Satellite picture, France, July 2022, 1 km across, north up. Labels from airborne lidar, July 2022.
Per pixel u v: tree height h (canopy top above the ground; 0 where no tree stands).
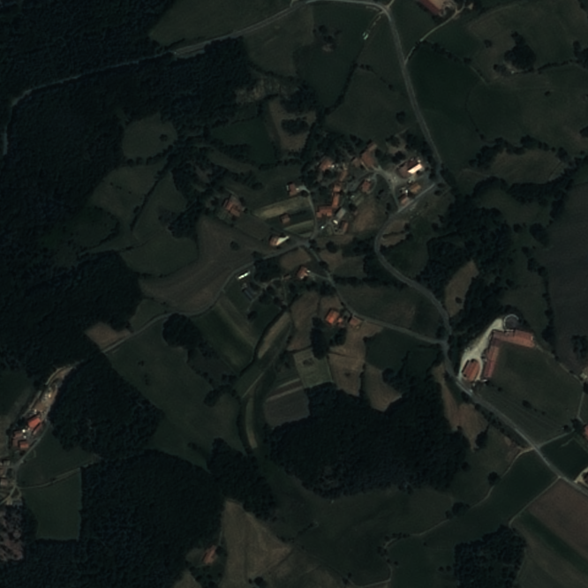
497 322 0
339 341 16
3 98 18
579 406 0
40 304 27
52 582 23
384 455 22
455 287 0
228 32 0
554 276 0
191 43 0
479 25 0
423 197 0
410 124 0
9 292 22
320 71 0
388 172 0
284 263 0
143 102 15
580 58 12
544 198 15
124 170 0
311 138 11
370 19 0
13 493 0
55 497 0
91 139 10
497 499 0
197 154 11
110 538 27
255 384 0
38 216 33
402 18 0
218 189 8
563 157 25
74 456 0
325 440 25
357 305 0
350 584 13
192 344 15
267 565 0
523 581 0
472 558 15
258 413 0
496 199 0
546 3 0
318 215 0
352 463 21
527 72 6
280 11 0
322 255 0
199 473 23
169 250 0
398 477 17
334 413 23
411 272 0
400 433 22
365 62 0
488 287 15
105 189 0
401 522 0
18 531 20
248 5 0
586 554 0
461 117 0
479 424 0
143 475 18
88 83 29
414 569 0
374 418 23
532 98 0
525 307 0
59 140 15
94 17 24
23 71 21
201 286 0
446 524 0
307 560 0
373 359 0
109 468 19
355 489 16
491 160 22
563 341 0
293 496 0
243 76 13
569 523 0
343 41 0
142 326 0
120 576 15
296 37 0
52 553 24
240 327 0
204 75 12
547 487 0
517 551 12
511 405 0
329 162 0
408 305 0
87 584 8
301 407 0
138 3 20
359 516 0
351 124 0
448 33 0
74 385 19
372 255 11
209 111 13
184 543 20
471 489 0
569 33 0
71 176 23
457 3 7
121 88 25
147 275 11
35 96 16
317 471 15
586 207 0
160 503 17
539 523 0
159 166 0
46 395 0
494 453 0
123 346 0
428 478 18
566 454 0
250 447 9
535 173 0
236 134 0
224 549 9
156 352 0
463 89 0
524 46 12
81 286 25
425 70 0
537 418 0
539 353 0
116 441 20
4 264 17
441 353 10
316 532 0
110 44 20
